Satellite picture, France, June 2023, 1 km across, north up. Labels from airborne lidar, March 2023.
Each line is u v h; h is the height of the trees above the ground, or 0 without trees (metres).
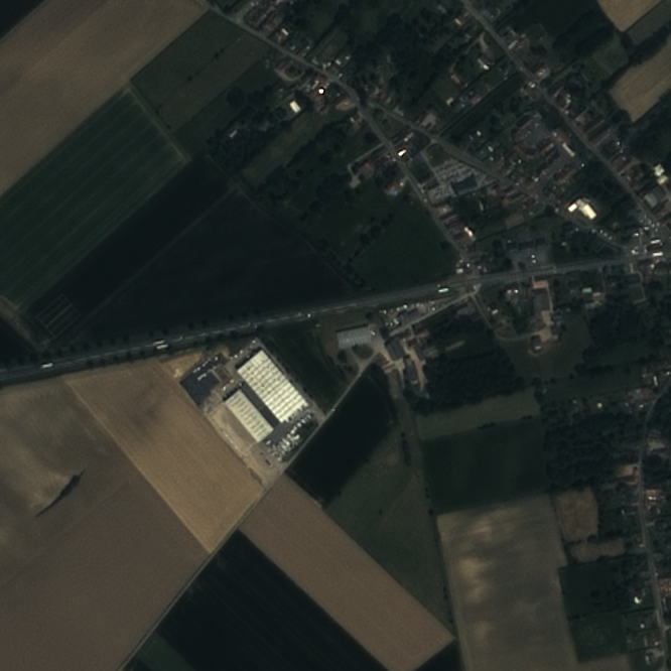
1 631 0
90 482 0
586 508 0
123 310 0
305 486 0
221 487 0
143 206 0
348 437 0
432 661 0
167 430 0
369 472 0
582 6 0
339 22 15
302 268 0
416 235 0
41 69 0
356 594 0
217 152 20
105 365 10
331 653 0
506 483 0
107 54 0
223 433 0
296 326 0
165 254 0
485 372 11
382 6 0
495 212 0
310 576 0
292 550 0
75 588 0
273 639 0
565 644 0
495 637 0
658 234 0
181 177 0
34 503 0
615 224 0
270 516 0
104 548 0
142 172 0
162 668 0
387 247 0
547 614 0
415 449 0
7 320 0
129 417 0
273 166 0
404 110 0
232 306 0
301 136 0
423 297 0
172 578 0
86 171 0
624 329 27
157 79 0
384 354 0
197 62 0
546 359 0
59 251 0
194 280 0
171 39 0
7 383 0
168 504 0
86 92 0
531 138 0
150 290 0
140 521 0
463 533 0
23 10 0
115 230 0
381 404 0
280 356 0
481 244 0
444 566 0
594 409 0
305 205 0
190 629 0
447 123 0
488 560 0
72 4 0
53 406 0
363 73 0
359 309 0
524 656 0
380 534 0
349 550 0
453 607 0
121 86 0
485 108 0
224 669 0
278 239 0
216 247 0
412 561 0
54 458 0
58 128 0
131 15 0
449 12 10
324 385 0
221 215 0
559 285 9
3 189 0
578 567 10
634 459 7
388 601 0
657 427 9
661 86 0
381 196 0
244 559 0
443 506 0
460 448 0
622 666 0
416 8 0
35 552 0
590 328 9
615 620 0
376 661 0
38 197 0
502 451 0
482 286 0
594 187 10
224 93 0
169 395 0
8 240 0
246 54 0
